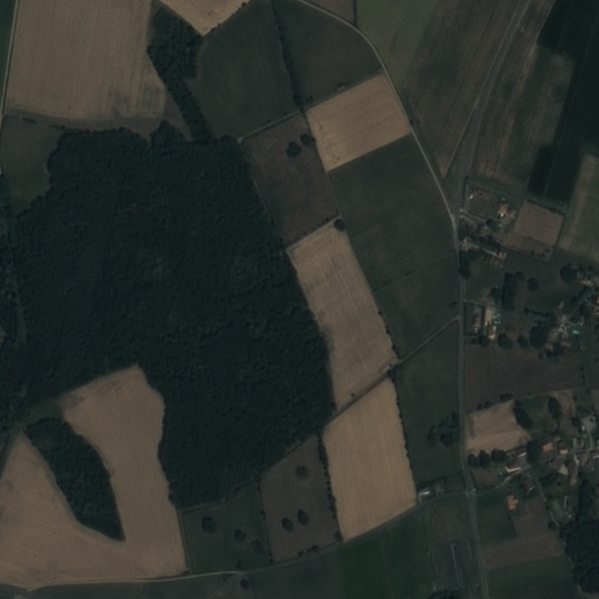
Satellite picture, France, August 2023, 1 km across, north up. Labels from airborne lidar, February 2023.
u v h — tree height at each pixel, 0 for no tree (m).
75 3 0
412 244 0
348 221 0
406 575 0
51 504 0
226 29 0
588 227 0
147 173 18
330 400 17
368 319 0
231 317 23
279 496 0
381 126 0
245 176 22
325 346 19
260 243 20
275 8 6
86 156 17
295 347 23
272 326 22
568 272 16
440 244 0
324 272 0
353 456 0
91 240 13
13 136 0
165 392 18
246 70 0
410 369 0
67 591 0
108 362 19
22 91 0
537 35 0
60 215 16
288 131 0
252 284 21
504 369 0
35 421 0
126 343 19
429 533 0
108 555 0
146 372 10
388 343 0
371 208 0
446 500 0
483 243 6
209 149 23
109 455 0
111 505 18
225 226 21
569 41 0
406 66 0
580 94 0
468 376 0
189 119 9
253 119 0
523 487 6
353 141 0
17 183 0
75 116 0
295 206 0
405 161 0
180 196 18
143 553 0
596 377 0
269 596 0
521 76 0
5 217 25
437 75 0
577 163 0
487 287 0
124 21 0
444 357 0
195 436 22
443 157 0
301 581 0
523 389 0
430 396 0
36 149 0
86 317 13
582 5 0
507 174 0
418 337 0
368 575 0
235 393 15
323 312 0
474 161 0
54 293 16
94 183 12
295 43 0
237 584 0
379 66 0
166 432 15
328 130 0
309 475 0
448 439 16
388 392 0
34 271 11
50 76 0
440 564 0
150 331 25
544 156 0
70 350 13
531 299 0
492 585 0
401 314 0
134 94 0
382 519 0
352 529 0
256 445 13
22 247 10
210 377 18
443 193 0
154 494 0
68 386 13
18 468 0
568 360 0
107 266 17
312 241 0
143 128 0
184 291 24
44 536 0
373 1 0
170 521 0
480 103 0
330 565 0
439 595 10
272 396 19
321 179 0
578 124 0
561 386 0
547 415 0
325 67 0
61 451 19
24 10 0
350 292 0
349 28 0
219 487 19
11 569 0
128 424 0
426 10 0
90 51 0
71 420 0
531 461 13
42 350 15
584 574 19
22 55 0
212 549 0
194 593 0
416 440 0
